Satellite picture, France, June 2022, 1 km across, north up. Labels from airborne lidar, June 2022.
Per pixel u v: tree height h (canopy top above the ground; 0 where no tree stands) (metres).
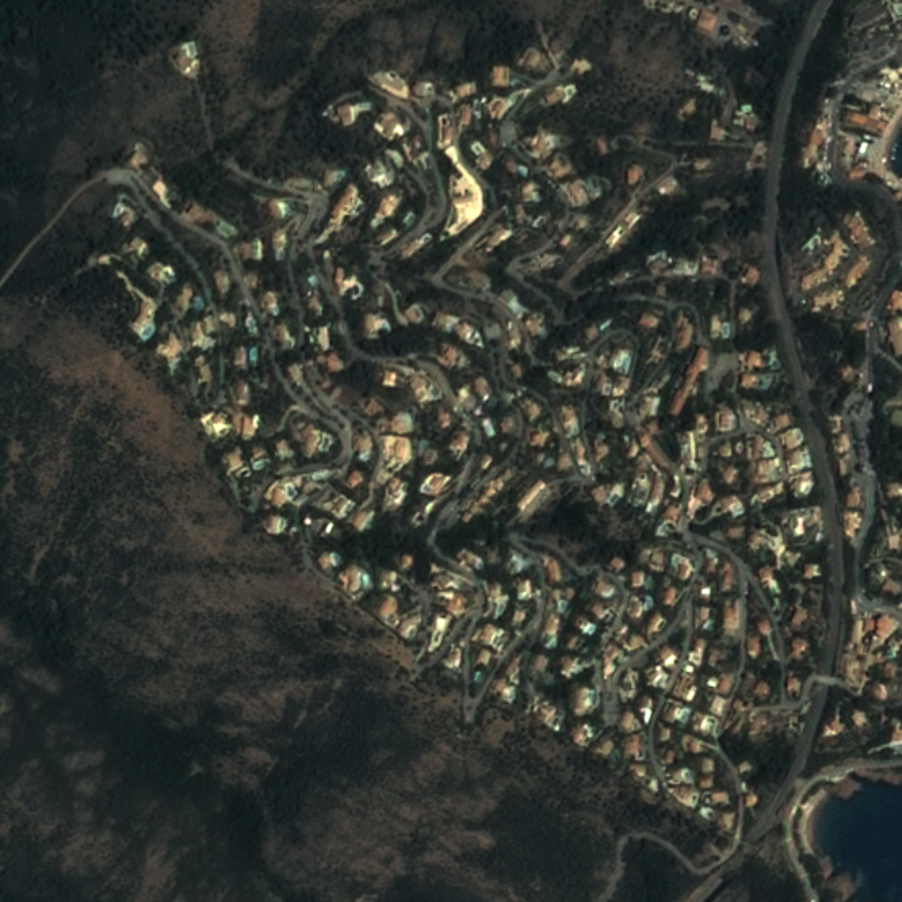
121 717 10
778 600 12
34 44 6
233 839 9
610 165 7
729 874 7
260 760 0
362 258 7
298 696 0
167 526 0
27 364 7
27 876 6
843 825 0
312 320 12
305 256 8
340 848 0
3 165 9
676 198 9
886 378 7
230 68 0
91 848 0
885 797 0
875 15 0
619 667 14
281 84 9
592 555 13
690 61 10
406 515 9
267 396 9
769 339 8
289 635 6
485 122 6
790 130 6
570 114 12
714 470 7
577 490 8
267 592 0
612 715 0
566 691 7
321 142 9
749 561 6
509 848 6
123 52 12
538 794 7
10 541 7
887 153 0
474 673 8
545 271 9
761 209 7
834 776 0
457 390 7
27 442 7
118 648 7
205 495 0
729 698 6
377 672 7
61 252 6
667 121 13
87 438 6
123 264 12
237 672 8
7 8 10
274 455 7
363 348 13
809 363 7
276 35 8
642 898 9
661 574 6
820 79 12
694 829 8
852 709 10
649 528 8
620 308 10
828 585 6
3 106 6
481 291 7
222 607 0
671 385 9
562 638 6
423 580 10
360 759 7
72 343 0
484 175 7
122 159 8
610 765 10
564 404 7
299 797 8
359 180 8
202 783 7
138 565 6
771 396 6
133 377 0
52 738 0
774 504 9
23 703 7
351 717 6
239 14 0
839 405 15
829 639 6
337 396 0
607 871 0
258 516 9
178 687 0
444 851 0
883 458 15
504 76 0
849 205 18
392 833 0
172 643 0
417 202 9
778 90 11
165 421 0
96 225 0
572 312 16
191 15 0
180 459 0
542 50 7
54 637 6
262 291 6
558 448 6
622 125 9
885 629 0
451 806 0
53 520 5
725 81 12
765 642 14
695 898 0
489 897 0
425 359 7
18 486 6
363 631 9
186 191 9
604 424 13
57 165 0
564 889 7
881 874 0
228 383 7
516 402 7
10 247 8
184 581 0
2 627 0
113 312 7
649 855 9
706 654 6
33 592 10
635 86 9
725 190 15
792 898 6
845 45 7
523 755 8
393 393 7
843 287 6
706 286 11
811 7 8
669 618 7
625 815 10
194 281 12
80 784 0
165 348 0
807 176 9
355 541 10
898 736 0
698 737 6
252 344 7
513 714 9
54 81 9
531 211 11
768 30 11
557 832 6
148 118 0
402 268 11
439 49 0
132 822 7
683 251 9
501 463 8
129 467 6
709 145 11
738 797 6
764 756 20
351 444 0
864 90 0
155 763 10
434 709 6
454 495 6
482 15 12
